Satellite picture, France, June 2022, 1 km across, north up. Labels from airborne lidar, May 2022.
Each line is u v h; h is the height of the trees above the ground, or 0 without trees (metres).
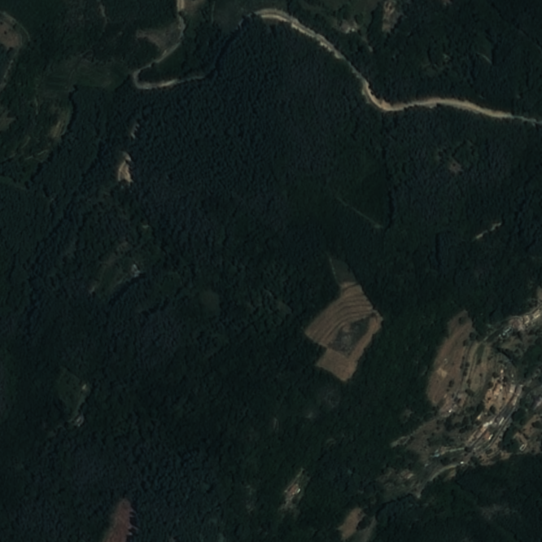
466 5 13
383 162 17
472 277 18
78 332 20
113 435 10
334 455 16
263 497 17
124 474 21
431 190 21
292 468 16
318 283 19
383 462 17
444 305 17
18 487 25
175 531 21
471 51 20
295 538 24
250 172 25
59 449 17
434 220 26
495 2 22
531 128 20
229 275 14
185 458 28
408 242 20
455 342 0
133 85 19
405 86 28
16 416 27
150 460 39
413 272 9
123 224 20
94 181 36
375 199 7
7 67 25
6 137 16
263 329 18
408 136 20
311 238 17
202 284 16
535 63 15
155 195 23
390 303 6
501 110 10
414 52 16
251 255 12
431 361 15
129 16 7
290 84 25
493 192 17
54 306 38
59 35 7
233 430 10
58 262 35
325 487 26
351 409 14
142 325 17
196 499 25
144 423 15
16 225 28
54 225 37
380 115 17
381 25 14
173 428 10
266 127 25
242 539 34
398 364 18
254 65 28
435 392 0
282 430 7
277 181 30
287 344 17
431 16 21
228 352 11
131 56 13
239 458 12
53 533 25
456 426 10
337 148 26
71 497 15
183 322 15
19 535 24
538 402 0
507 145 30
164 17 9
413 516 34
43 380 26
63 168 34
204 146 25
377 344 14
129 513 0
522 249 9
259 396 16
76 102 30
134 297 35
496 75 27
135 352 12
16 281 37
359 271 19
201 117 32
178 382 7
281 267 15
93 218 19
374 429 17
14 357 18
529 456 9
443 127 26
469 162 18
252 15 0
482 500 14
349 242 16
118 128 13
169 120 28
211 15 21
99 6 9
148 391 16
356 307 0
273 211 31
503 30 7
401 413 15
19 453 20
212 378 11
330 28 16
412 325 17
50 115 8
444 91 23
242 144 30
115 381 13
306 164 24
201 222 27
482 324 12
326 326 0
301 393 9
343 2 0
